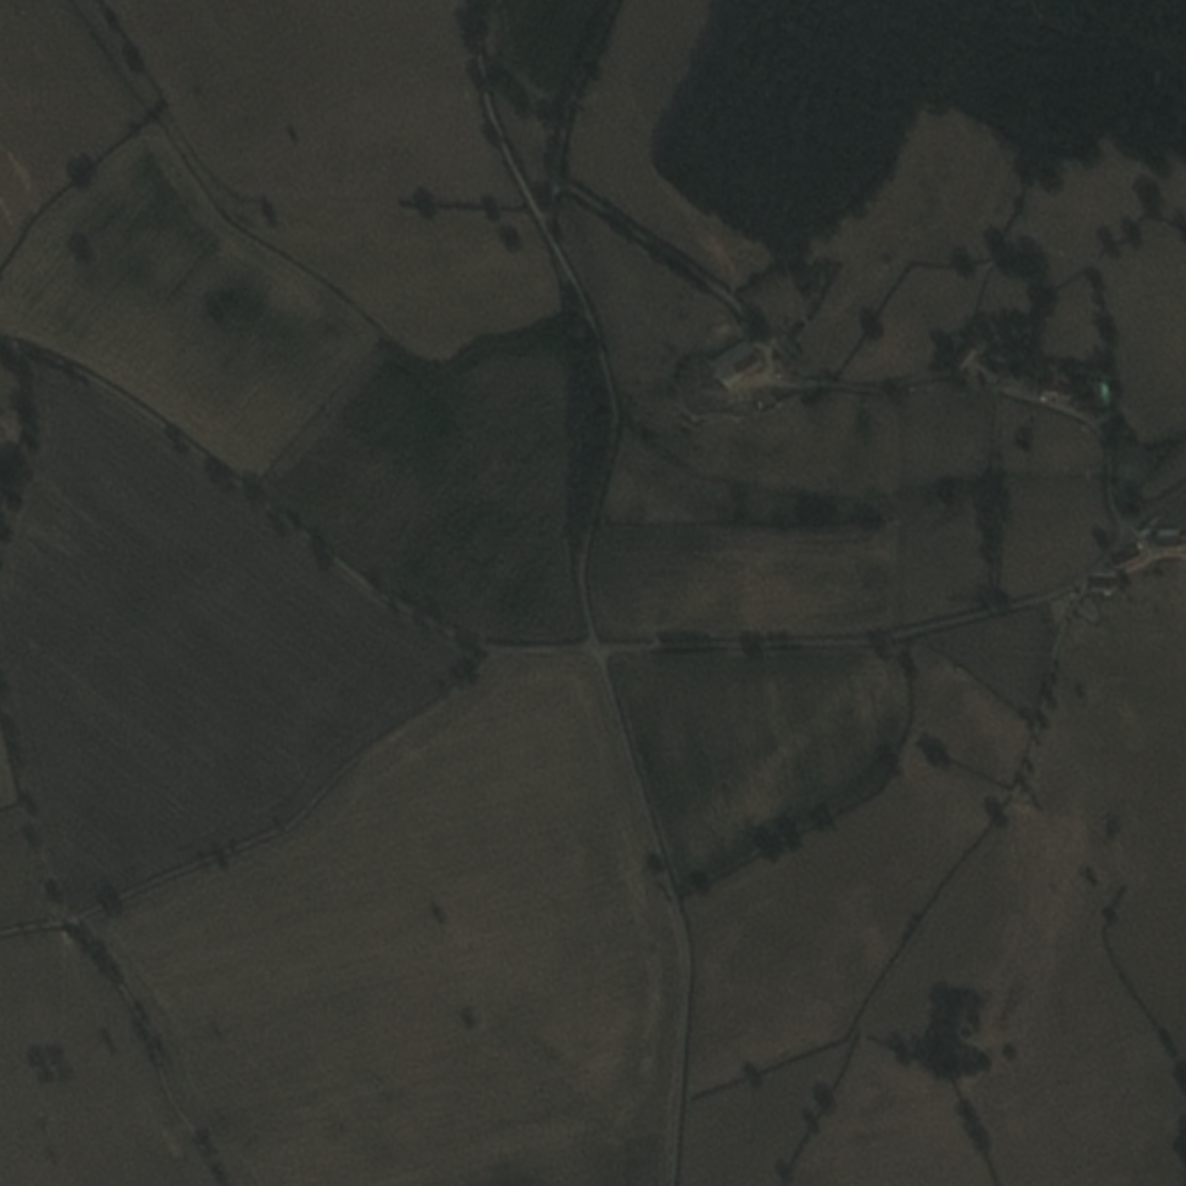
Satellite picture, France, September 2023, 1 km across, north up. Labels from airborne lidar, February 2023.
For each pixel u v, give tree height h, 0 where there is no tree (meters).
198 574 0
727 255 0
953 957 0
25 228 0
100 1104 0
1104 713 0
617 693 0
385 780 0
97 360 0
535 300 0
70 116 0
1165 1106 0
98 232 0
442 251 0
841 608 0
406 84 0
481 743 0
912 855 0
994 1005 0
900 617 0
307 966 0
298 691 0
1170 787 0
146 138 0
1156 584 0
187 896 0
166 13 0
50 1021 0
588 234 0
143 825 0
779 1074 0
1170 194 0
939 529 0
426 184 0
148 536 0
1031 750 0
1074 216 0
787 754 0
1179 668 0
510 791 0
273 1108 0
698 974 0
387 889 0
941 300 0
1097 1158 0
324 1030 0
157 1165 0
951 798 0
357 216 0
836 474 0
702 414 0
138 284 0
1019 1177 0
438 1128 0
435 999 0
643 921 0
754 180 23
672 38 0
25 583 0
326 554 18
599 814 0
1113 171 0
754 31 22
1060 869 0
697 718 0
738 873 0
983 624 0
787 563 0
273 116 0
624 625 0
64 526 0
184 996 0
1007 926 0
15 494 16
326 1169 0
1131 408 0
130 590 0
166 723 0
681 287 0
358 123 0
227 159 0
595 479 16
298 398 0
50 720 0
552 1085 0
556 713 0
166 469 0
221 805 0
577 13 0
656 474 0
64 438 0
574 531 9
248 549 0
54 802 0
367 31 0
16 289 0
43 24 0
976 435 0
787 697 0
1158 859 0
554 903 0
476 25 18
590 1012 0
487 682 0
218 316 19
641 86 0
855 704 0
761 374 0
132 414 0
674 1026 0
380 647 0
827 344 0
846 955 0
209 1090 0
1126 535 0
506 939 0
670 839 0
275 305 0
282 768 0
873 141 19
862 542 0
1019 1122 0
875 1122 0
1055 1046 0
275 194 0
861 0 25
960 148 0
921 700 0
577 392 16
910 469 0
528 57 0
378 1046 0
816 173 24
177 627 0
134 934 0
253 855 0
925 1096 0
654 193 0
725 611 0
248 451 0
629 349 0
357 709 0
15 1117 0
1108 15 22
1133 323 0
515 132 0
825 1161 0
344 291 0
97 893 0
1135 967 0
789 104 27
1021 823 0
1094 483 0
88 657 0
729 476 0
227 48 0
